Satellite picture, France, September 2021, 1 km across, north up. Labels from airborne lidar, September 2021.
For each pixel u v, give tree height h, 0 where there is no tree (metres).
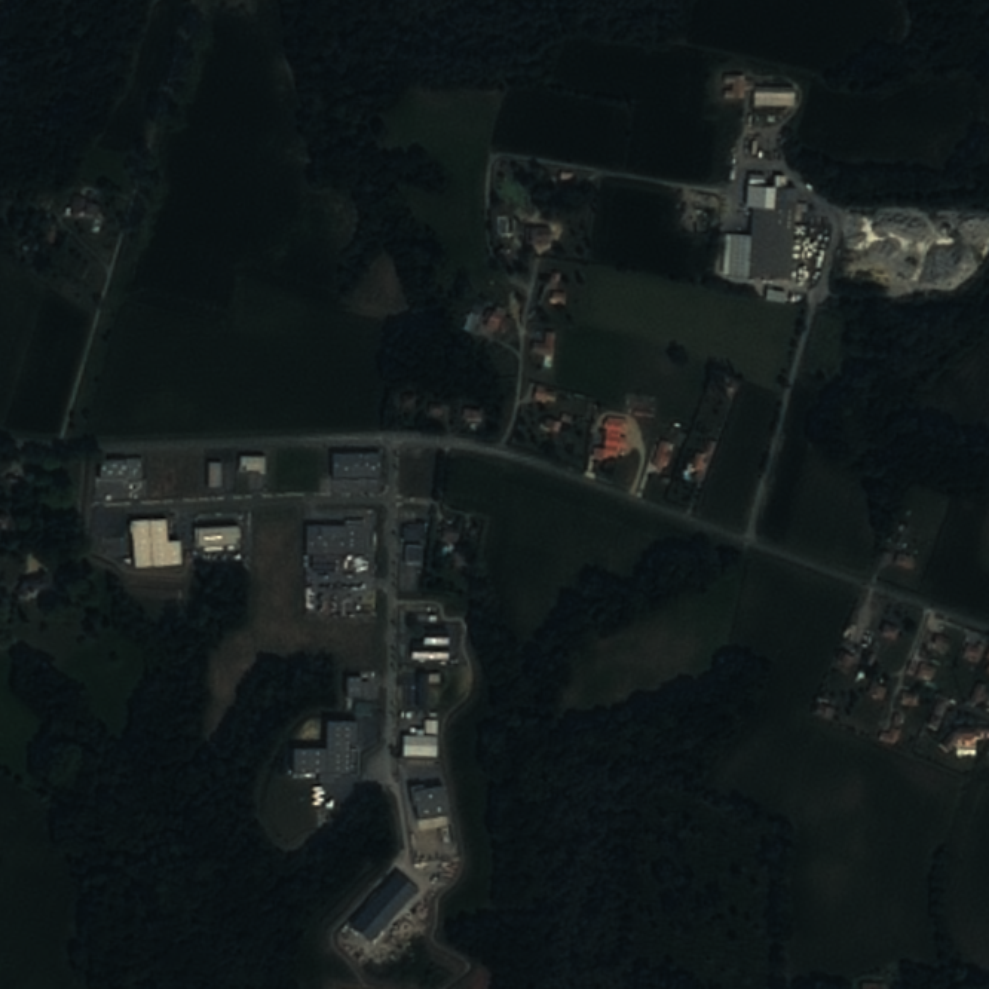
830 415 21
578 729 22
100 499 0
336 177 24
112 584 11
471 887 0
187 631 13
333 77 31
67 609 16
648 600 23
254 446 0
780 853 20
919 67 15
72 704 31
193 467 0
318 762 0
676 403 0
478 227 0
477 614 16
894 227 0
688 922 21
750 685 26
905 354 25
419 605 0
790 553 0
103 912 22
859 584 0
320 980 0
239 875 22
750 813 14
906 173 17
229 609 26
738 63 0
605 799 26
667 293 0
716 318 0
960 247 0
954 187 7
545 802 25
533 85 10
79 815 31
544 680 26
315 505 0
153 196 26
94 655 0
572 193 17
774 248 0
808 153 13
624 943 19
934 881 10
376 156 23
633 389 0
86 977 16
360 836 29
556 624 20
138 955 17
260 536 0
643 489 0
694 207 0
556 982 25
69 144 18
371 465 0
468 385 24
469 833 0
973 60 7
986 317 12
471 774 0
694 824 8
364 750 0
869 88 21
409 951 0
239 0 0
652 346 0
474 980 0
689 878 20
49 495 28
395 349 19
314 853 19
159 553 0
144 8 8
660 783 18
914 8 14
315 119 22
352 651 0
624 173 0
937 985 14
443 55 21
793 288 0
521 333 0
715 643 0
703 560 29
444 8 11
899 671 0
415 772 0
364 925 0
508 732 23
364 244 16
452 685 0
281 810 0
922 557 0
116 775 25
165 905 29
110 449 0
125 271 0
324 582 0
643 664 0
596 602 25
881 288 7
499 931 24
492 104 0
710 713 28
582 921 20
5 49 21
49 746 24
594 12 20
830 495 0
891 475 26
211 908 23
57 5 25
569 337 0
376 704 0
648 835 13
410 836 0
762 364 0
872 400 22
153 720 19
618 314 0
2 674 0
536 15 22
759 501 0
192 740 13
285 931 20
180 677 15
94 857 26
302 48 22
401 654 0
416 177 15
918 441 28
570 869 12
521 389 0
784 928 21
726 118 0
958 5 20
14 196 6
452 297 7
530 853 24
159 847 32
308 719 0
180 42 0
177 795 25
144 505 0
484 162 0
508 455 0
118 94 15
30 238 11
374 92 24
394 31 13
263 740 25
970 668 0
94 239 0
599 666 0
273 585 0
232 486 0
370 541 0
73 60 20
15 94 24
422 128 0
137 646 7
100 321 0
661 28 17
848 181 23
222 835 19
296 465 0
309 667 25
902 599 0
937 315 24
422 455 0
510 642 23
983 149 24
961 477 27
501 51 22
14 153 22
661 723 25
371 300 0
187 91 24
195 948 28
